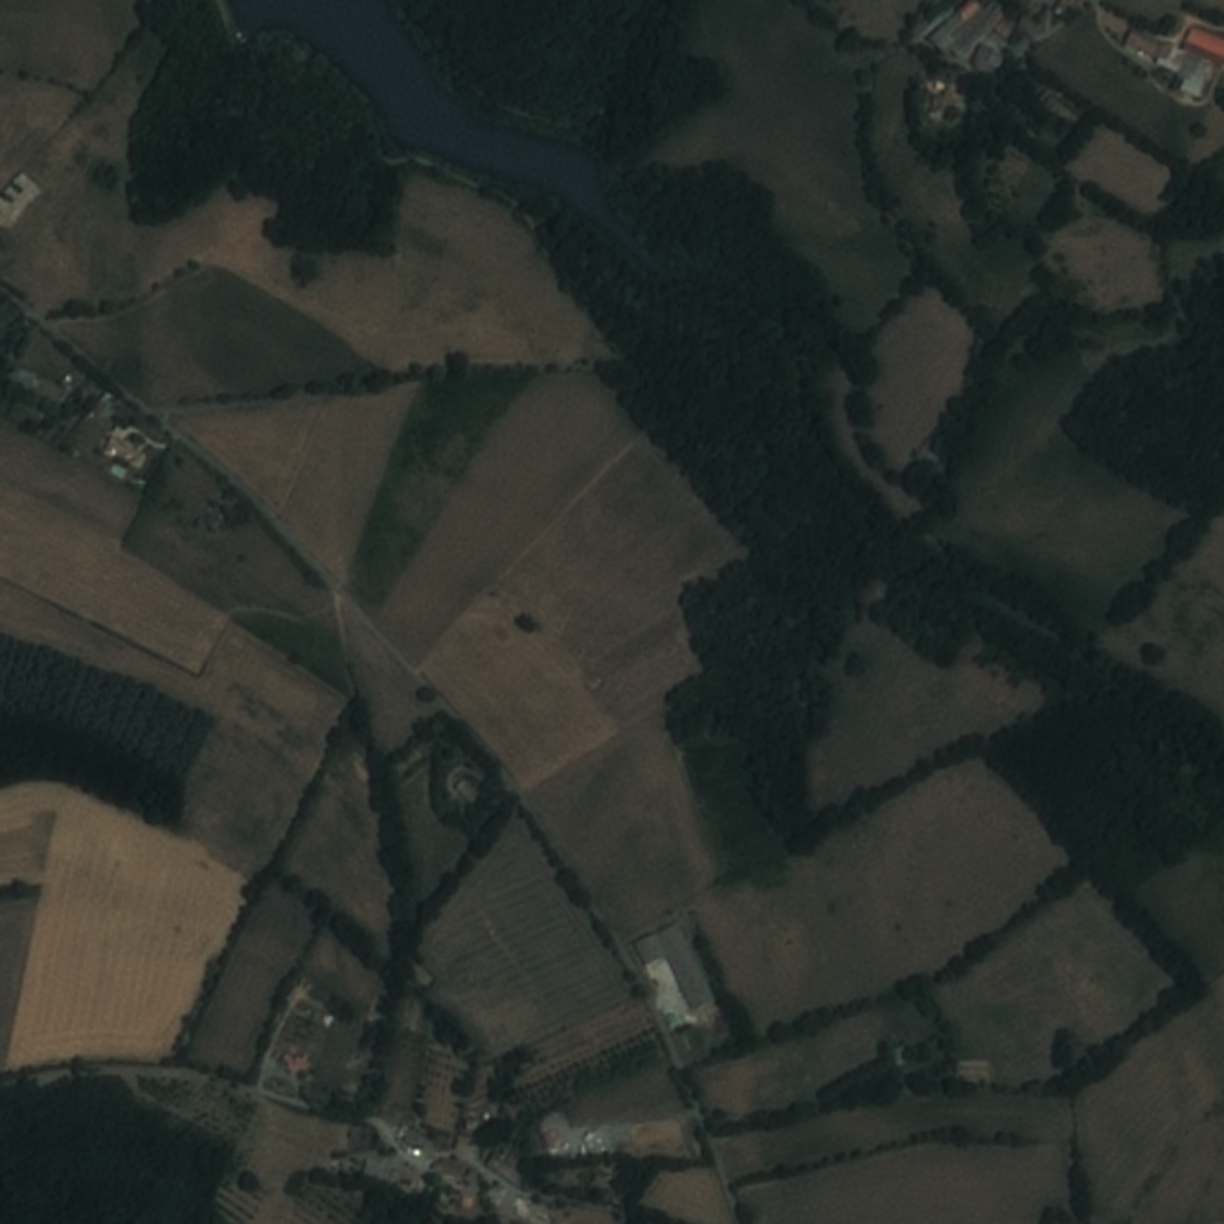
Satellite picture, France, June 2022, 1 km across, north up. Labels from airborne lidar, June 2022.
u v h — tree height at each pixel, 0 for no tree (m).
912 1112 0
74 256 0
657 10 18
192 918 0
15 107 0
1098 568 0
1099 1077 16
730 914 0
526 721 0
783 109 0
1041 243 15
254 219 0
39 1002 0
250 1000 0
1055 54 0
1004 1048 0
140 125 14
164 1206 7
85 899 0
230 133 16
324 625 0
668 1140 0
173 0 19
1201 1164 0
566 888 14
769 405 26
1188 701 24
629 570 0
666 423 19
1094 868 14
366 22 0
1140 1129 0
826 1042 0
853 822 7
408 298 0
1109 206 13
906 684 0
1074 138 13
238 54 19
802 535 15
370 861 0
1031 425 0
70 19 0
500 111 8
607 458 0
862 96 10
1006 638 22
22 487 0
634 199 5
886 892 0
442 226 0
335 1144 0
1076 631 18
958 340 0
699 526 0
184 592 0
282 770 0
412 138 0
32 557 0
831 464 17
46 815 0
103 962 0
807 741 15
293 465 0
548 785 0
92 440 0
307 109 14
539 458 0
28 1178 21
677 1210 0
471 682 0
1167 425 23
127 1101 6
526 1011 0
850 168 0
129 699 15
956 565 14
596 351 0
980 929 0
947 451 16
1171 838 21
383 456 0
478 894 0
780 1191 0
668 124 14
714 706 14
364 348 0
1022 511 0
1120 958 0
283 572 0
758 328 16
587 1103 0
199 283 0
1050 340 21
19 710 17
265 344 0
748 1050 12
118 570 0
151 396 0
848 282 0
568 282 12
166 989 0
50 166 0
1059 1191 0
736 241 14
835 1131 0
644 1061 6
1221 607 0
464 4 13
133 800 17
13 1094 6
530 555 0
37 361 0
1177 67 0
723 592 15
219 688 0
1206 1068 0
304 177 12
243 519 6
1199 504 19
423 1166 0
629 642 0
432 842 0
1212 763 20
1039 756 13
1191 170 7
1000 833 0
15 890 12
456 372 13
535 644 0
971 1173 0
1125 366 21
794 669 26
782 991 0
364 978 0
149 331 0
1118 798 17
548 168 0
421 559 0
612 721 0
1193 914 0
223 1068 9
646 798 0
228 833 0
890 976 0
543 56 9
